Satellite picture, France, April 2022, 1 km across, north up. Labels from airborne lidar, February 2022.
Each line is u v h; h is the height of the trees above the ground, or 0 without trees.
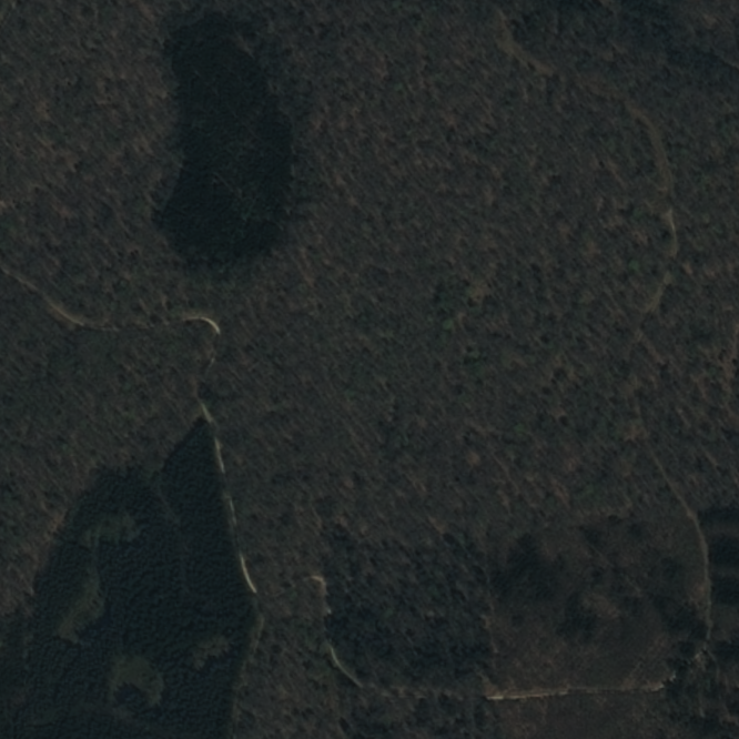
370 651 31
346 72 28
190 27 20
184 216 11
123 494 29
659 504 28
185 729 29
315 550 28
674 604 11
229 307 27
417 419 29
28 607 16
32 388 29
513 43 0
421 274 27
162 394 30
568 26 27
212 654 7
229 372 33
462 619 27
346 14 27
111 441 32
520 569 12
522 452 29
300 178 10
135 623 31
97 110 22
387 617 30
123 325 15
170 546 30
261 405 31
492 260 24
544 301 25
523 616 10
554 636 15
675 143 27
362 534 28
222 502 17
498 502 30
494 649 8
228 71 14
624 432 29
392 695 0
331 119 28
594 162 28
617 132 25
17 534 26
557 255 25
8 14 0
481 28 23
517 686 12
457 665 29
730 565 19
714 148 29
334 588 33
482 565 29
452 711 27
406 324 24
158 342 27
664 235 25
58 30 27
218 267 26
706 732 9
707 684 12
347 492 28
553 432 28
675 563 15
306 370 28
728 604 18
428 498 29
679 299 29
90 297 25
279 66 27
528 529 26
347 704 27
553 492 31
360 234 26
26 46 23
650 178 29
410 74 27
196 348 27
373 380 27
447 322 26
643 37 30
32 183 30
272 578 25
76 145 27
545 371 27
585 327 28
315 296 26
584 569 13
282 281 30
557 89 27
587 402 29
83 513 24
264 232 17
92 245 27
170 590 37
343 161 26
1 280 33
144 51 24
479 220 27
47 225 26
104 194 26
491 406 25
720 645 14
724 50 28
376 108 26
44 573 22
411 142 24
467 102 26
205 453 22
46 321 28
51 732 14
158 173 27
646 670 14
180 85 20
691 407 30
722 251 29
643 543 13
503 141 26
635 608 12
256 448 27
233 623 34
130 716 21
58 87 23
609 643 12
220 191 14
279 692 28
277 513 30
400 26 27
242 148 10
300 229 25
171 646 37
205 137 17
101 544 20
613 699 14
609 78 28
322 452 27
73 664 30
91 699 29
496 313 27
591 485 29
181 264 5
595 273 27
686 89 26
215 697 28
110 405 27
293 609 32
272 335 28
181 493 21
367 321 27
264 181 10
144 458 30
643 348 17
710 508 26
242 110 13
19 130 26
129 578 28
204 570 26
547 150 27
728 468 30
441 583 27
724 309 26
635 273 27
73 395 27
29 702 21
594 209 29
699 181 25
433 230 27
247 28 14
